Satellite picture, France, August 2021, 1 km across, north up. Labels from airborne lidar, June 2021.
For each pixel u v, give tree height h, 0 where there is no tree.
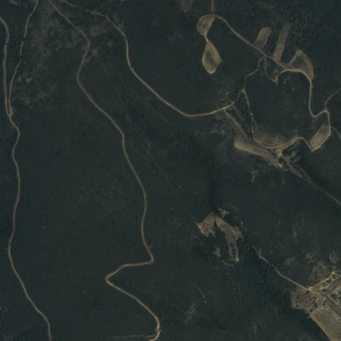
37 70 0
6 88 0
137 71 0
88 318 0
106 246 0
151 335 8
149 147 0
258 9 7
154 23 0
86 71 0
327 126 0
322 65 0
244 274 6
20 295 0
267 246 0
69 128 0
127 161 0
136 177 0
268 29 0
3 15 0
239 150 0
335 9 6
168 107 0
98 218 0
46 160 0
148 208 0
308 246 0
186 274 0
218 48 0
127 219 0
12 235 0
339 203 0
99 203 0
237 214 0
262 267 11
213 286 0
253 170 0
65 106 0
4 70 0
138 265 0
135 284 0
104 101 0
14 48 8
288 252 0
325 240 0
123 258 0
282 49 0
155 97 0
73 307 0
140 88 0
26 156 0
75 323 0
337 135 0
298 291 0
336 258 0
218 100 0
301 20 8
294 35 11
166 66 0
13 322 0
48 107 0
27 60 0
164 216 0
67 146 0
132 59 0
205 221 0
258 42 0
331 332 0
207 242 14
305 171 8
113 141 0
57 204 0
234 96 8
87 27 0
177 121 0
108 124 0
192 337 0
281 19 0
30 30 0
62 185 0
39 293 0
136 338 0
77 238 0
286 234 0
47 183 0
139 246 0
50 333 0
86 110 0
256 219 0
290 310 7
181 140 9
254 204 0
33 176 0
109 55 9
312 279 0
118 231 0
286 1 10
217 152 0
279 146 0
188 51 0
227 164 0
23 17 0
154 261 0
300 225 0
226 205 0
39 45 0
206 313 0
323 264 0
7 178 0
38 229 0
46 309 0
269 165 0
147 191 0
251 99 0
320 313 0
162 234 0
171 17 0
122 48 0
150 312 0
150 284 0
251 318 0
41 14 0
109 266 0
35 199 0
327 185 8
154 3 0
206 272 0
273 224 0
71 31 0
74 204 0
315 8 8
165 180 0
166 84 0
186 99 0
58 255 0
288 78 0
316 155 0
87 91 0
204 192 0
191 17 8
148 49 0
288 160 0
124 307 0
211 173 11
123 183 0
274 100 0
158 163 0
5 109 0
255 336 0
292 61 0
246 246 13
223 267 7
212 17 0
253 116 7
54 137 0
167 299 0
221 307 0
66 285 0
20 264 0
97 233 0
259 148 0
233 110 8
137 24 0
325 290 8
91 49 0
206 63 0
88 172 0
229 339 0
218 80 0
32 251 0
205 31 0
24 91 0
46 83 0
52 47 0
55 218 0
